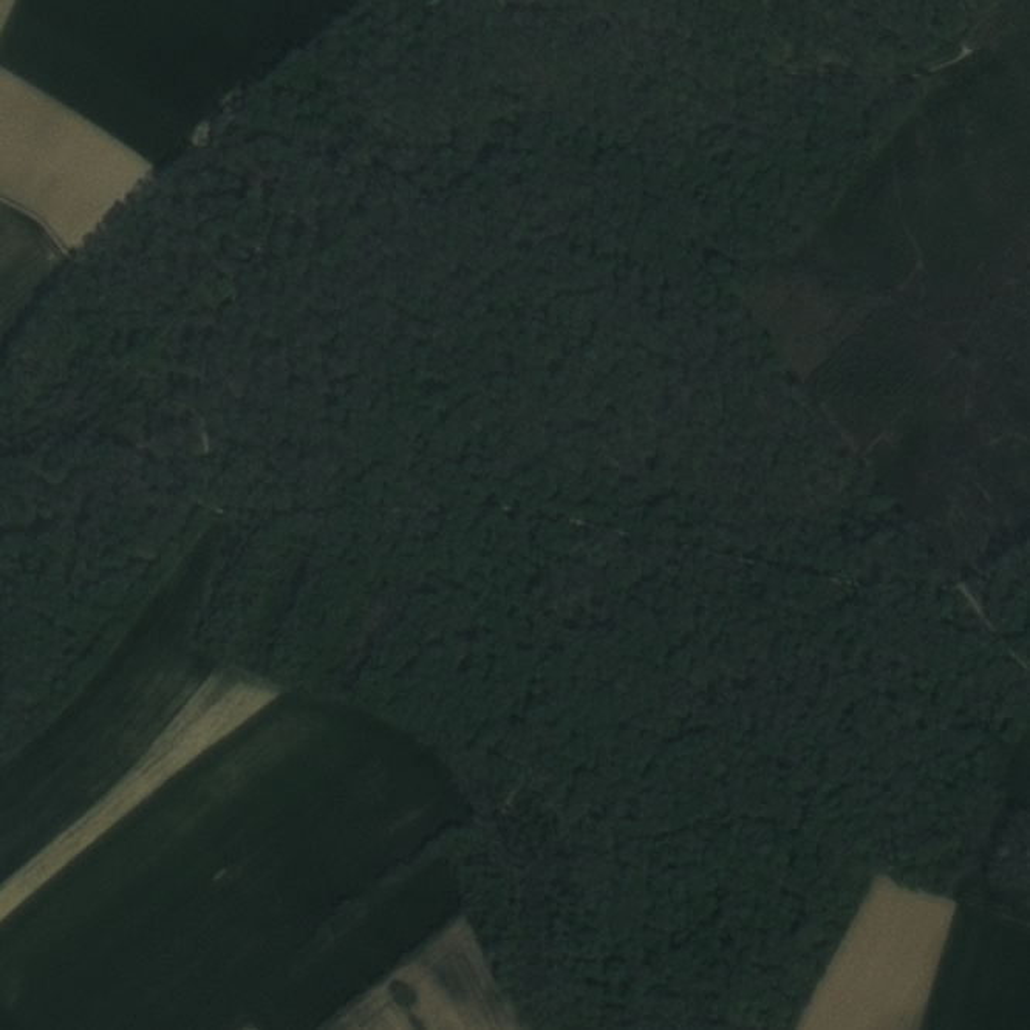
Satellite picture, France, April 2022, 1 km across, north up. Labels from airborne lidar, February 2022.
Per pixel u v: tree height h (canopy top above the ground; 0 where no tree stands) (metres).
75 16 0
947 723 33
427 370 28
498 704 27
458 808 0
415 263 32
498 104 30
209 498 27
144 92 0
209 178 32
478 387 29
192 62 0
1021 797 0
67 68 0
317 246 36
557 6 27
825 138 29
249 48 0
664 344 30
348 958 0
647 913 32
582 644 31
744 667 29
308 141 22
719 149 25
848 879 25
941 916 0
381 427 33
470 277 32
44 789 0
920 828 31
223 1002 0
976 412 0
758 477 29
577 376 31
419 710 30
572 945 28
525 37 32
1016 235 0
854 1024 0
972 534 0
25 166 0
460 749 28
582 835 25
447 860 17
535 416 32
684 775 31
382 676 24
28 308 0
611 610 31
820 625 26
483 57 32
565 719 31
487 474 25
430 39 32
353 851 0
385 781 0
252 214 35
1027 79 0
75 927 0
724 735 29
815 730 32
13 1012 0
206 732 0
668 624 30
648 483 30
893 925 0
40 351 27
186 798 0
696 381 33
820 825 27
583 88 32
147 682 0
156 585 22
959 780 26
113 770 0
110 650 19
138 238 30
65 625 33
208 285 34
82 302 32
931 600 34
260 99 26
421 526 29
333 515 22
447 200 28
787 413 30
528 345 32
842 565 32
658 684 32
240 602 24
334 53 29
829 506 29
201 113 0
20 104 0
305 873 0
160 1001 0
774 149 27
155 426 19
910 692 28
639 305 25
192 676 0
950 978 0
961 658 31
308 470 30
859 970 0
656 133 27
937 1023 0
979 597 27
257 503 27
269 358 31
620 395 30
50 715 16
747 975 27
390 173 32
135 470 34
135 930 0
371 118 35
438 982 0
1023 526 0
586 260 33
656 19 25
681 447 33
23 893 0
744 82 28
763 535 30
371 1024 0
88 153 0
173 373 29
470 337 31
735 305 24
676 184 29
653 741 29
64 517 31
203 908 0
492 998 0
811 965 30
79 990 0
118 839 0
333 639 21
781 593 30
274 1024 0
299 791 0
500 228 33
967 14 32
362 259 34
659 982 27
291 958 0
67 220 0
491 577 27
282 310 35
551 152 32
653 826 29
